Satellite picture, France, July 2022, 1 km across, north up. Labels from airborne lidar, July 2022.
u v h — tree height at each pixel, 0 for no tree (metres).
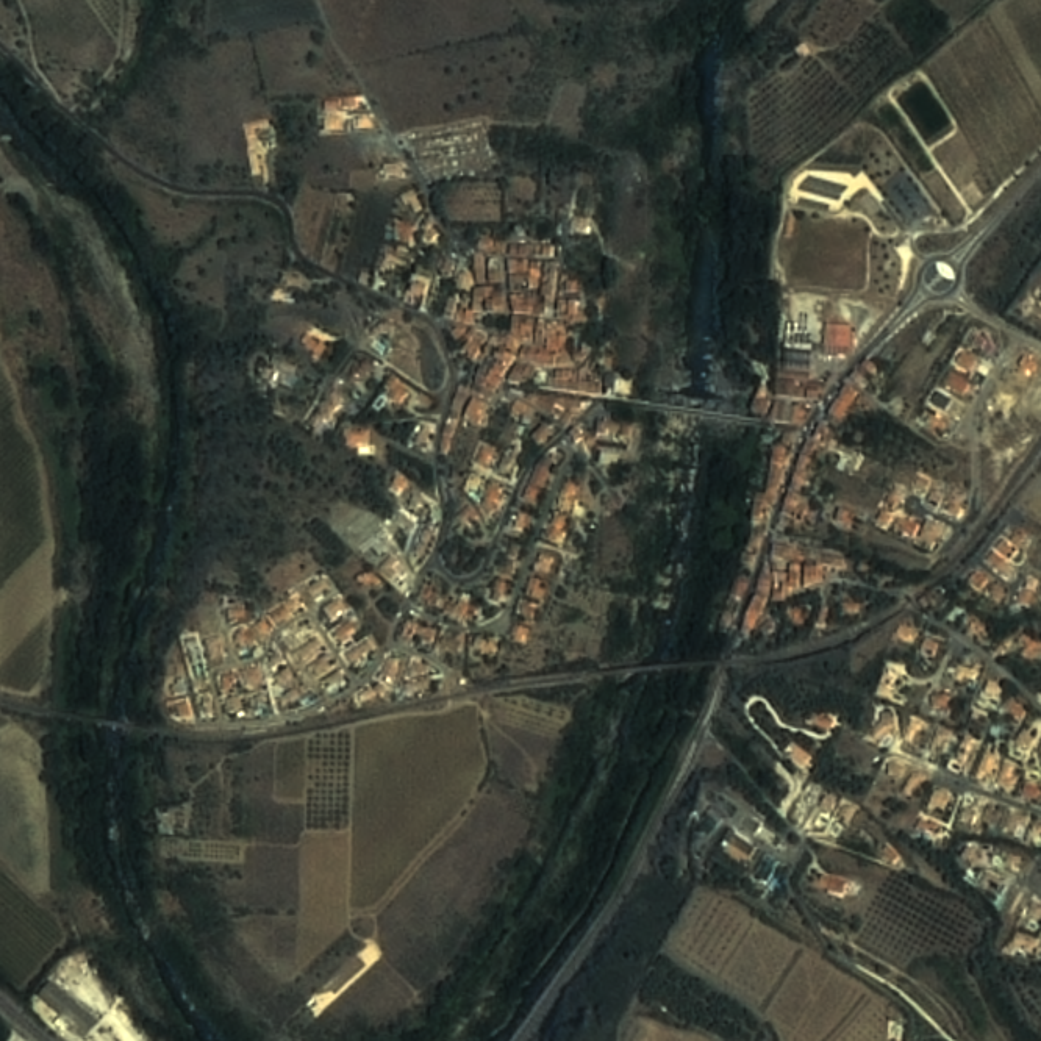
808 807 0
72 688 8
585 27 11
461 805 0
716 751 0
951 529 0
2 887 0
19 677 0
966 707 7
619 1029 0
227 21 0
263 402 6
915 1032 9
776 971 0
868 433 12
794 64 8
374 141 0
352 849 0
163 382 7
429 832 0
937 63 0
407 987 0
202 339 8
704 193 7
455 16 0
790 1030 0
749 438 11
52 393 6
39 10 0
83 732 9
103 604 16
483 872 0
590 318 7
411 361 0
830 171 0
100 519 14
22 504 0
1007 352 0
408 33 0
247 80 0
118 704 7
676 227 9
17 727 0
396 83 0
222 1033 6
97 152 8
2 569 0
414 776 0
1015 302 9
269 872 0
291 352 9
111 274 0
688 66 9
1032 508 0
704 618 10
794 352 0
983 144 0
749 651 7
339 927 0
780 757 9
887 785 0
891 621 0
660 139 5
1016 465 0
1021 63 0
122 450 13
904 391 0
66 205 0
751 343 21
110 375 14
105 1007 0
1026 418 0
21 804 0
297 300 7
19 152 0
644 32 7
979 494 0
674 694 8
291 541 0
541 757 0
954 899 9
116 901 10
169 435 7
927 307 0
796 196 0
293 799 0
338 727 0
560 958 7
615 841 10
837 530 7
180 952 6
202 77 0
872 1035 0
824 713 8
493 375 0
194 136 0
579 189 6
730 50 7
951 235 0
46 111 11
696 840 8
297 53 0
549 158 9
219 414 10
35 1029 0
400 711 0
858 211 0
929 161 0
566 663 11
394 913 0
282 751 0
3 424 0
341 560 7
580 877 6
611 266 19
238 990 0
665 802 0
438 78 0
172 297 14
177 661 0
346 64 0
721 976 0
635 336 0
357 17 0
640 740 8
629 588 9
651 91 6
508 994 9
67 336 5
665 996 10
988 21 0
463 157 0
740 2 8
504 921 14
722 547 5
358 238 0
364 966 0
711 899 0
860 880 0
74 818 8
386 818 0
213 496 0
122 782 12
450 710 0
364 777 0
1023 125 0
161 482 6
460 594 6
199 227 0
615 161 8
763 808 12
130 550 14
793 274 0
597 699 8
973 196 0
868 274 0
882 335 0
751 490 6
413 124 0
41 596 0
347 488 7
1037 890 0
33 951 0
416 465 9
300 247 0
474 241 10
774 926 6
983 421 0
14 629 0
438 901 0
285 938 0
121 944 8
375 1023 0
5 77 11
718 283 11
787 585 0
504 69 0
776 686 9
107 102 8
